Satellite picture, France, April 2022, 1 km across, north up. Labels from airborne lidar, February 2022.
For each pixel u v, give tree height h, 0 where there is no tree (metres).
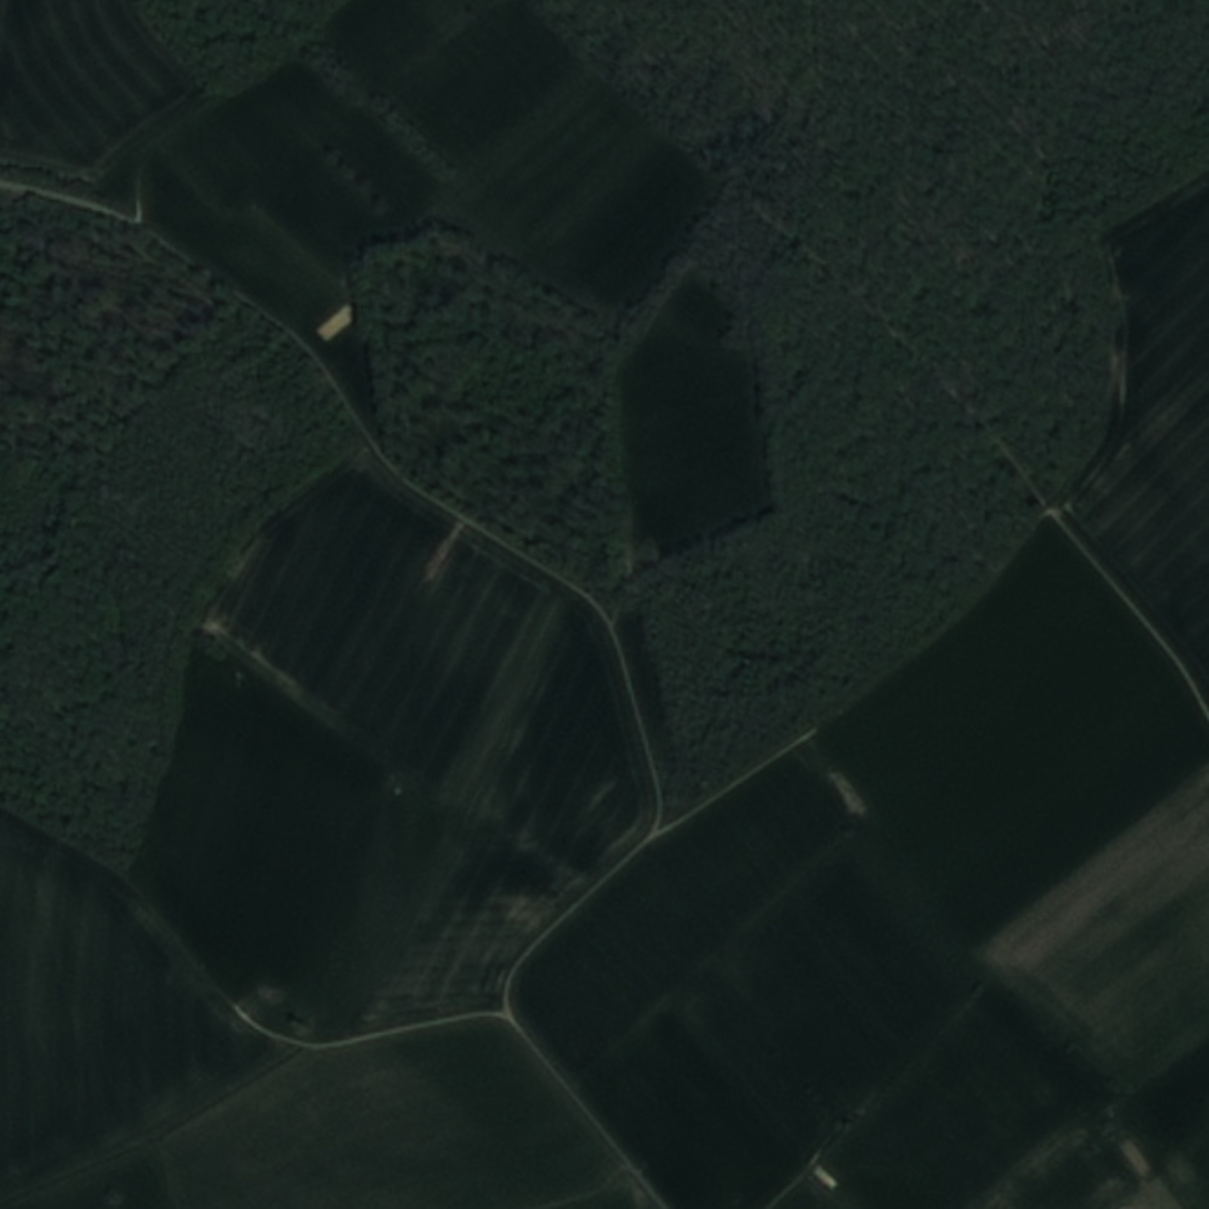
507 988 0
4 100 0
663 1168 0
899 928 0
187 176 0
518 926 0
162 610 21
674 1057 0
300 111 0
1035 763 0
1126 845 0
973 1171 0
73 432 21
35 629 25
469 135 0
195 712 0
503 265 14
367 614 0
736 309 16
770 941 0
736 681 16
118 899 0
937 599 22
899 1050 0
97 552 16
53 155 0
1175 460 0
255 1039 0
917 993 0
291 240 0
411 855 0
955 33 28
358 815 0
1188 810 0
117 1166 0
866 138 23
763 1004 0
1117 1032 0
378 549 0
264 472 14
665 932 0
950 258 27
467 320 24
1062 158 26
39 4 0
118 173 0
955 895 0
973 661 0
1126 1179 0
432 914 0
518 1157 0
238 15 23
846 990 0
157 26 7
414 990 0
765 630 18
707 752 15
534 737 0
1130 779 0
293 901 0
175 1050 0
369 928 0
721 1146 0
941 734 0
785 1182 0
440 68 0
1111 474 0
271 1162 0
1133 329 0
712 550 20
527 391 13
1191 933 0
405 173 0
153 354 24
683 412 0
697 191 0
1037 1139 0
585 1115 0
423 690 0
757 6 25
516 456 19
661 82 19
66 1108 0
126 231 13
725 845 0
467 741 0
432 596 0
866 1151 0
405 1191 0
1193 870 0
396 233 0
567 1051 0
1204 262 0
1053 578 0
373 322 21
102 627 26
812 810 0
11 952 0
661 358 0
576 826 0
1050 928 0
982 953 0
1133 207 18
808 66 19
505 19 0
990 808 0
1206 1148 0
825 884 0
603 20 23
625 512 21
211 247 0
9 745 21
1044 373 26
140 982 0
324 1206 0
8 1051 0
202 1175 0
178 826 0
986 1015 0
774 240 16
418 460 20
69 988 0
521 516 20
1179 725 0
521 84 0
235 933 0
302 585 0
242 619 0
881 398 29
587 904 0
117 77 0
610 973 0
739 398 0
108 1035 0
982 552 30
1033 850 0
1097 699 0
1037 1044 0
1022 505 25
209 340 28
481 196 0
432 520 0
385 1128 0
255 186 0
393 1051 0
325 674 0
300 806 0
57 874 0
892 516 25
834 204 26
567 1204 0
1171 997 0
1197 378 0
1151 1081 0
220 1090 0
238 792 0
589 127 0
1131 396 0
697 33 22
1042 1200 0
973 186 28
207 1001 0
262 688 0
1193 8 24
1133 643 0
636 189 0
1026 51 25
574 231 0
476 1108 0
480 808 0
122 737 26
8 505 9
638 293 0
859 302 25
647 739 0
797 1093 0
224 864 0
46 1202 0
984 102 28
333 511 0
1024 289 27
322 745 0
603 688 0
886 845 0
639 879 0
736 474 0
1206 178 0
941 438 28
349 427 12
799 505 18
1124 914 0
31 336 21
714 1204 0
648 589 20
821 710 15
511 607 0
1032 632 0
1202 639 0
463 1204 0
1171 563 0
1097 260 16
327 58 17
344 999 0
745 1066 0
